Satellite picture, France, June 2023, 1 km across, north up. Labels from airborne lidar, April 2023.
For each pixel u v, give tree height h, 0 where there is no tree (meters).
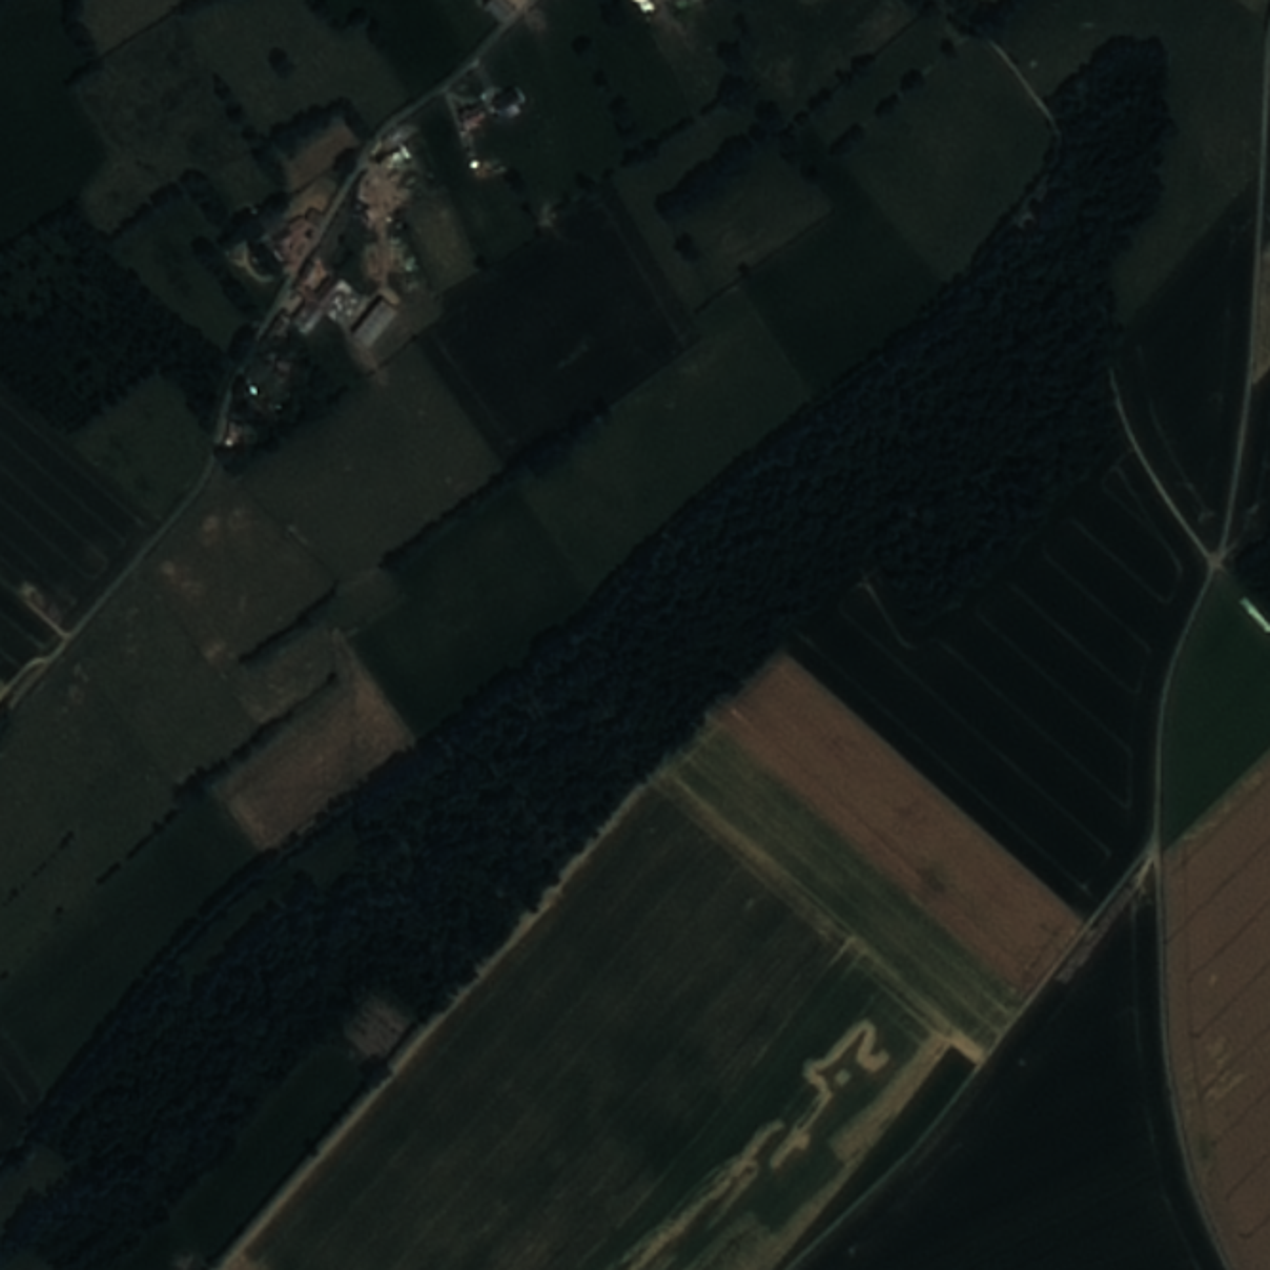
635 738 24
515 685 25
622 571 7
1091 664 0
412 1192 0
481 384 0
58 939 0
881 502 17
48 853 0
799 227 0
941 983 0
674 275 0
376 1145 0
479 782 24
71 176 0
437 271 0
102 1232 21
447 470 0
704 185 19
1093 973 0
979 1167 0
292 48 0
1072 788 0
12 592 0
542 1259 0
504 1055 0
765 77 0
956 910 0
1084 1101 0
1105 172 16
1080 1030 0
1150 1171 0
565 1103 0
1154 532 0
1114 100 19
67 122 0
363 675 0
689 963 0
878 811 0
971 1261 0
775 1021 0
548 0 0
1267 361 0
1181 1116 0
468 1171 0
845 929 0
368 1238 0
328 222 0
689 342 0
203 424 7
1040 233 16
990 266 19
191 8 8
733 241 0
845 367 0
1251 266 0
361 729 0
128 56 0
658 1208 0
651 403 0
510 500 0
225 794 0
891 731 0
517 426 0
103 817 0
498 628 0
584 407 0
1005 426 16
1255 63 0
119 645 0
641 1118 0
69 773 0
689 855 0
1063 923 0
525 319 0
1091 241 19
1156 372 0
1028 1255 0
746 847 0
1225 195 0
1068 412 20
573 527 0
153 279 0
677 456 0
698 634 20
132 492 0
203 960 0
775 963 0
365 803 19
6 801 0
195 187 13
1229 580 0
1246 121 0
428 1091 0
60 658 0
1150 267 0
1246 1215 0
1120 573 0
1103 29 0
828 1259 0
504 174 0
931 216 0
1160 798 0
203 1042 14
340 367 0
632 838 0
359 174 0
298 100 0
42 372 12
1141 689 0
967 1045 0
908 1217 0
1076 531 0
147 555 0
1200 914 0
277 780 0
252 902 0
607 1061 0
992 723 0
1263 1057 0
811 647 0
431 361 0
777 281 0
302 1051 13
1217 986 0
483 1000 0
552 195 0
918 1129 0
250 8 0
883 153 0
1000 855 0
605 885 0
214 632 0
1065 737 0
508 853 24
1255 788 0
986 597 0
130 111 0
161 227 0
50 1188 0
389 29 0
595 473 0
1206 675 0
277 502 0
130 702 0
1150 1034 0
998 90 0
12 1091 0
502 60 0
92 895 0
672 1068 0
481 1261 0
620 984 0
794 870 0
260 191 0
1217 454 0
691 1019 0
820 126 0
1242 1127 0
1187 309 0
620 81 0
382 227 0
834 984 0
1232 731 0
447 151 0
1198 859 0
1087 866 0
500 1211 0
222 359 13
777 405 0
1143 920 0
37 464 0
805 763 0
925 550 17
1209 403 0
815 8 0
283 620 0
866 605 0
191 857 0
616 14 16
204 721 0
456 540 0
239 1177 0
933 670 0
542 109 0
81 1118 19
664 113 0
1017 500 22
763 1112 0
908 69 0
